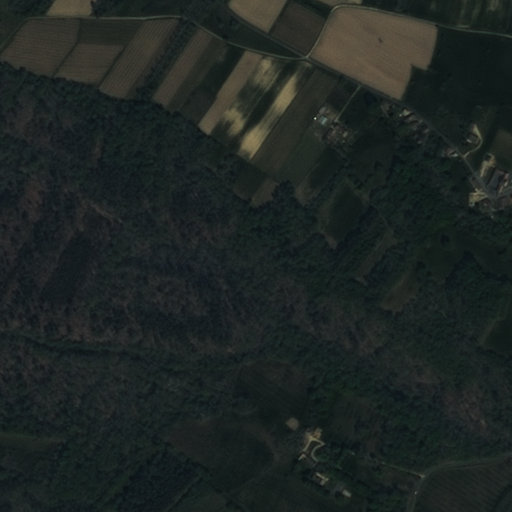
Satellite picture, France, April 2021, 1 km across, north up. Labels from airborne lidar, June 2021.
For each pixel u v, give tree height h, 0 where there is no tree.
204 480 9
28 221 21
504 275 0
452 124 0
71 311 15
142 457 14
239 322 19
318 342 15
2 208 18
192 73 0
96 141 23
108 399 15
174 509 8
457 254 0
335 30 0
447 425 25
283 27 0
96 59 0
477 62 0
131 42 0
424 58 0
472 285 21
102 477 20
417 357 19
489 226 16
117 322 15
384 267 10
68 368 19
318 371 26
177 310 12
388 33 0
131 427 15
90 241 7
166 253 15
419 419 23
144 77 0
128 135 13
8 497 13
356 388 21
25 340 9
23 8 10
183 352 17
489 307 18
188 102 0
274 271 13
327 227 0
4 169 22
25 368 17
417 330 13
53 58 0
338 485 0
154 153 14
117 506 15
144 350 23
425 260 0
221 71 0
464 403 13
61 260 7
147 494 19
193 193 22
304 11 0
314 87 0
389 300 0
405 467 20
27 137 10
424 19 0
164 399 16
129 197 25
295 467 12
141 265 17
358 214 0
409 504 20
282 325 20
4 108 22
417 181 21
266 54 0
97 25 0
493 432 13
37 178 6
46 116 10
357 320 18
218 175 10
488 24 0
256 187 0
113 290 13
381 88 0
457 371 21
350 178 13
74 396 14
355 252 8
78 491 22
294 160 0
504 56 0
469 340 15
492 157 0
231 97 0
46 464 6
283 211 10
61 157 19
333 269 13
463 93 0
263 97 0
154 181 18
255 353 18
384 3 0
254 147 0
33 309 9
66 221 12
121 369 17
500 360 12
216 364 20
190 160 12
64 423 15
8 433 21
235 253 23
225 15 0
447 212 23
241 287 28
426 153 10
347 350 18
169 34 0
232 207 12
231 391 10
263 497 0
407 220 16
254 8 0
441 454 19
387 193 10
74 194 14
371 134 0
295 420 0
